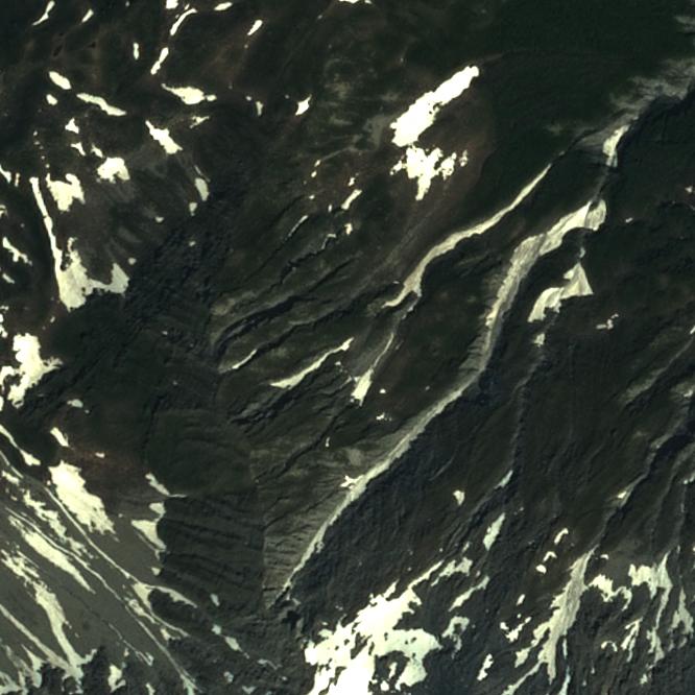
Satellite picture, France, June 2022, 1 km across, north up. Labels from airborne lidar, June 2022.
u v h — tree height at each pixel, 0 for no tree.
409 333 0
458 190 0
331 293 0
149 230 0
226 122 0
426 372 0
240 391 0
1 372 0
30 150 0
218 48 0
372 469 0
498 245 0
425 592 0
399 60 0
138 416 0
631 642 0
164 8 0
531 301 0
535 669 0
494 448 0
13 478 0
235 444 0
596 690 0
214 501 0
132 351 0
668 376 0
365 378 0
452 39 0
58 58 0
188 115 0
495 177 0
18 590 0
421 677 0
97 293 0
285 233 0
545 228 0
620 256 0
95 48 0
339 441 0
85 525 0
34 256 0
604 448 0
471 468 0
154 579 0
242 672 0
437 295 0
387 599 0
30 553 0
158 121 0
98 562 0
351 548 0
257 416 6
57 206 0
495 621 0
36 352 0
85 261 0
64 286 0
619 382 0
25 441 0
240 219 0
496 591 0
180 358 0
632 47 6
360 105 0
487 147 0
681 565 0
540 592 0
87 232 0
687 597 0
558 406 0
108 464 0
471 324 0
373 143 0
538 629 0
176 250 0
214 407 0
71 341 0
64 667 0
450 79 0
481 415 0
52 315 0
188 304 0
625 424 0
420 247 0
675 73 0
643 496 0
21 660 0
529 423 0
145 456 0
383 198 0
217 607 0
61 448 0
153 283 0
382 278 0
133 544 0
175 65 0
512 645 0
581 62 5
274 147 0
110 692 0
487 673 0
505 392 0
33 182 0
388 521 0
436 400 0
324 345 0
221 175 0
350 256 0
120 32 0
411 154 0
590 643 0
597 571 0
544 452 0
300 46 0
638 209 0
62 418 0
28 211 0
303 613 0
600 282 0
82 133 0
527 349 0
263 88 0
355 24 0
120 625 0
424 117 0
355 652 0
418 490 0
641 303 0
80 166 0
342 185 0
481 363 0
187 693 0
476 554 0
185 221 0
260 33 0
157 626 0
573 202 0
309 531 0
